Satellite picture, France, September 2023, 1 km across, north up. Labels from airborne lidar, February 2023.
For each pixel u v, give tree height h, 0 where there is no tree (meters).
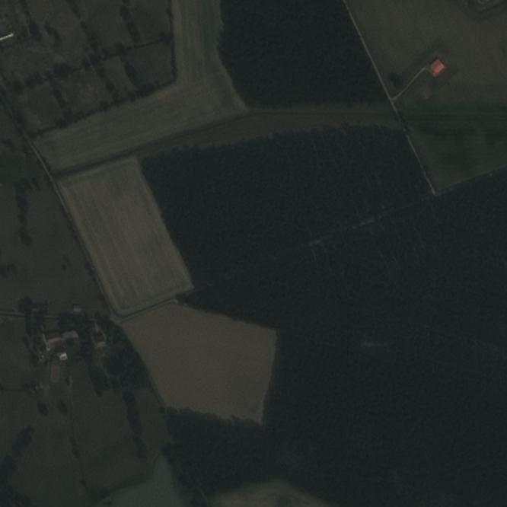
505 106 0
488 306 19
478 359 16
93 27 0
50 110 0
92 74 0
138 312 0
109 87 12
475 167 0
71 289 0
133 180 0
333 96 23
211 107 0
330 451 24
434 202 20
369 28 0
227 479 26
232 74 10
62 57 0
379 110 0
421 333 20
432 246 15
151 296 0
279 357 18
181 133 0
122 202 0
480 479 24
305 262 15
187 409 0
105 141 0
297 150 18
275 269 21
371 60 8
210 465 30
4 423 0
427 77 0
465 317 17
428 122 0
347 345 19
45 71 0
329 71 22
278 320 21
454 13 0
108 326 20
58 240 0
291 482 21
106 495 13
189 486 13
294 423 25
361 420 20
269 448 22
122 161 0
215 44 0
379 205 20
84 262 0
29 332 12
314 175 18
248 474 27
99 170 0
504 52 0
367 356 20
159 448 0
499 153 0
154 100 0
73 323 14
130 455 0
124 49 20
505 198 18
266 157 16
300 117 0
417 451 24
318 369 21
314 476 26
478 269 20
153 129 0
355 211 22
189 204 20
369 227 14
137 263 0
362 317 17
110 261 0
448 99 0
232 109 0
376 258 17
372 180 18
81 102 0
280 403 21
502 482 28
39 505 0
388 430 11
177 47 0
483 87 0
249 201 19
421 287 15
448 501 23
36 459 0
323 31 25
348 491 28
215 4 0
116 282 0
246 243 20
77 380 0
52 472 0
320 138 17
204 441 23
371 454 25
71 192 0
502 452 25
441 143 0
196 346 0
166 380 0
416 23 0
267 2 23
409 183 16
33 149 0
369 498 25
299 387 26
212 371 0
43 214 0
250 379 0
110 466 0
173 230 18
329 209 19
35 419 0
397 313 17
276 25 25
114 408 0
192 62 0
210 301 17
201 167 17
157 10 0
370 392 18
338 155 15
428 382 23
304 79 24
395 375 23
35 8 0
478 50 0
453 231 16
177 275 0
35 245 0
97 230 0
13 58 0
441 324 20
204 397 0
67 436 0
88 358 20
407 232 15
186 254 17
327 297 21
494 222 17
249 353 0
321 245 11
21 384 0
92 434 0
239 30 21
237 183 23
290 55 22
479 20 0
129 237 0
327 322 17
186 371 0
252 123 0
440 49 0
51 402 0
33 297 0
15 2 0
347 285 14
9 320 0
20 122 15
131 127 0
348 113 0
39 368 0
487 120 0
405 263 16
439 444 23
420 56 0
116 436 0
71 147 0
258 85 19
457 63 0
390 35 0
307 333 25
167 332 0
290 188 21
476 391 23
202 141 0
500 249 18
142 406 0
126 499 0
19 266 0
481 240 17
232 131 0
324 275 14
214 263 21
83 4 0
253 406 0
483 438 25
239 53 22
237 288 16
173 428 18
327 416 20
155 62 0
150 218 0
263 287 20
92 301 0
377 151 18
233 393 0
